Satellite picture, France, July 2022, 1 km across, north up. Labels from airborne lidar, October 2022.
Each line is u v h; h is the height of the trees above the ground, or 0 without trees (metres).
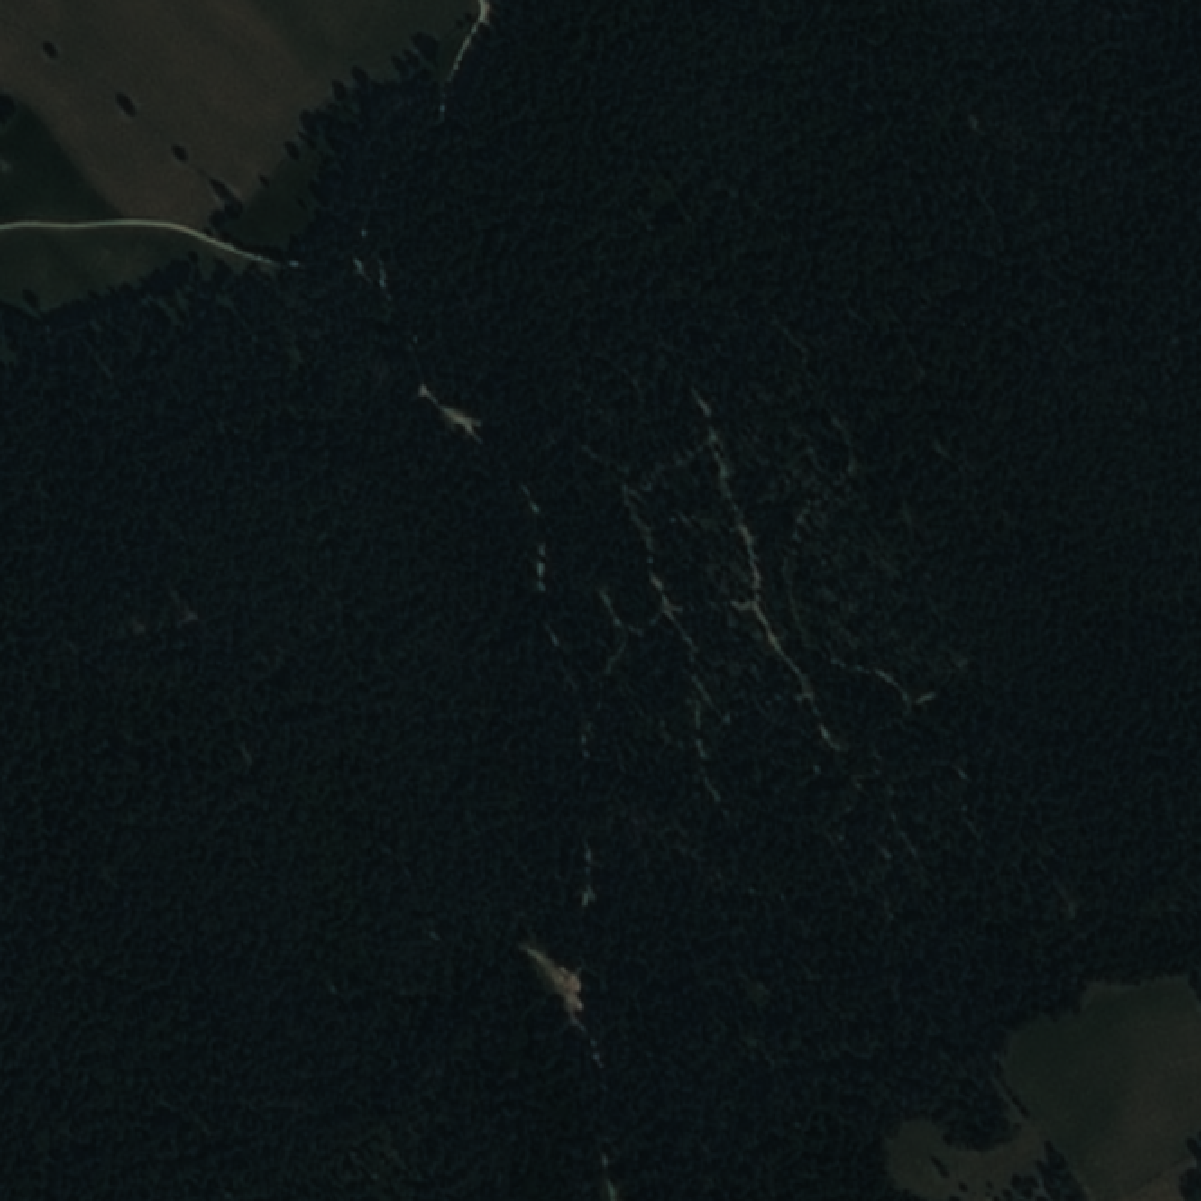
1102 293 22
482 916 28
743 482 7
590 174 19
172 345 28
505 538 18
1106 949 16
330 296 28
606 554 9
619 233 13
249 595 27
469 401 18
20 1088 24
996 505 23
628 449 18
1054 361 28
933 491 16
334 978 13
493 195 17
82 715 17
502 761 26
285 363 30
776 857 24
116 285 0
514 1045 14
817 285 21
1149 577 25
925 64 24
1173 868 23
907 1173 0
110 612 26
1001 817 22
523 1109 22
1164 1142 0
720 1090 21
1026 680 22
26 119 0
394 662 13
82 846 20
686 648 9
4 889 28
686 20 21
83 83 0
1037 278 28
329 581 22
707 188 17
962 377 19
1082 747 23
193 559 21
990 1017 27
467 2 0
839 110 20
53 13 0
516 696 25
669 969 27
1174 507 27
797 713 16
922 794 21
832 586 17
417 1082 11
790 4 24
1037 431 23
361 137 28
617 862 22
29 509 27
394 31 0
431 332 26
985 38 24
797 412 10
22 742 24
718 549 14
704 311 24
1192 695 18
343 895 13
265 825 24
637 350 19
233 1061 28
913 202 23
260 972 20
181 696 7
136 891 32
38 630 30
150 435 14
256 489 23
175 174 0
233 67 0
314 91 0
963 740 10
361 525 20
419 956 26
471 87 24
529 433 23
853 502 6
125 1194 25
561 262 19
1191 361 21
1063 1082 0
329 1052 28
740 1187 23
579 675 17
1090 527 20
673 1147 20
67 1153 26
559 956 27
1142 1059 0
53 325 29
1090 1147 0
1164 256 24
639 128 18
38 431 25
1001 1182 0
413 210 24
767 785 9
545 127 20
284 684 20
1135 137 24
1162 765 25
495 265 20
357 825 15
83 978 9
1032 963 16
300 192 0
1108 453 25
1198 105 20
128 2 0
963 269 19
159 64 0
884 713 8
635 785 21
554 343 22
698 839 28
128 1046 27
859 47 26
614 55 20
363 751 19
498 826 21
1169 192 19
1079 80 24
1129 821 17
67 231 0
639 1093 21
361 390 8
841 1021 31
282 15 0
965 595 17
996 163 18
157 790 26
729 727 8
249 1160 17
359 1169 8
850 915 10
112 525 23
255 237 0
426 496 23
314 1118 24
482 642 28
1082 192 21
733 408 21
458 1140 27
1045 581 28
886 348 22
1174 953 13
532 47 11
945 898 26
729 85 25
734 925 19
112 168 0
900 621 18
